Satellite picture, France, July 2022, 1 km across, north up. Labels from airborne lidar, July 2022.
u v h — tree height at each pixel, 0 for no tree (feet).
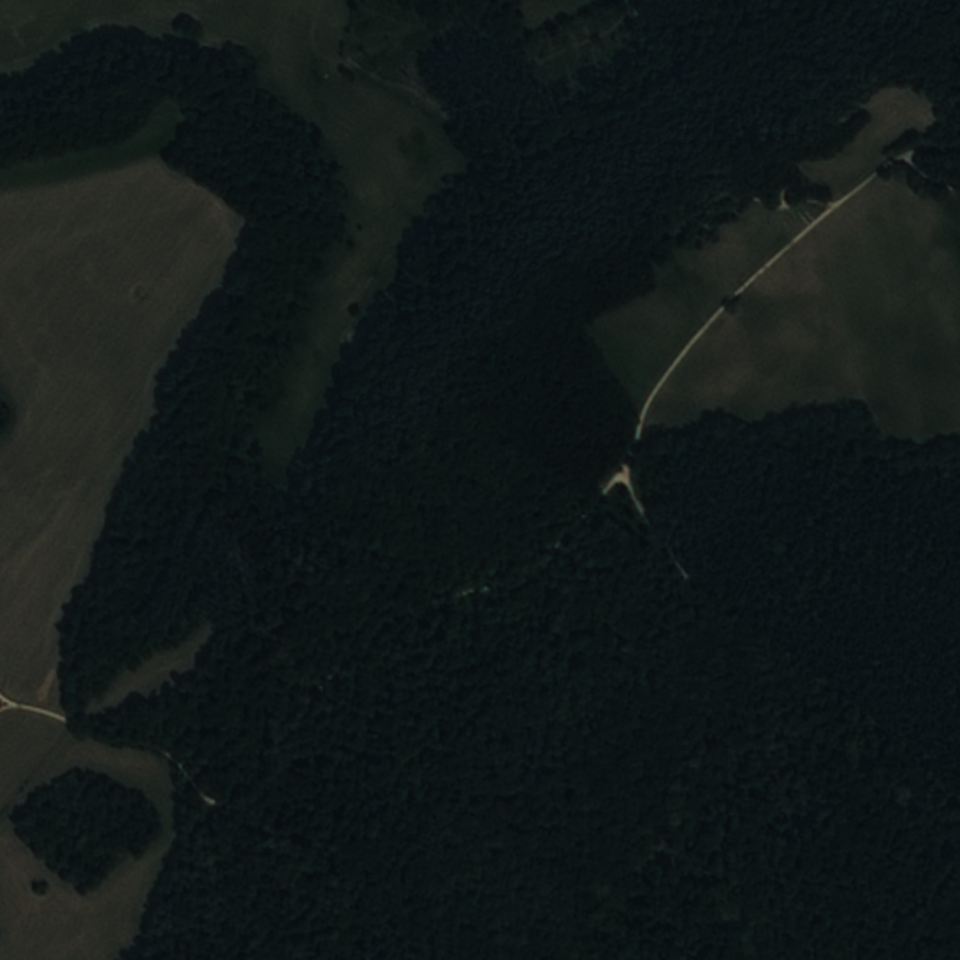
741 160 67
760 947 71
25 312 0
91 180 0
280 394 0
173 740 51
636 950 64
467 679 72
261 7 0
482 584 39
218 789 68
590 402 53
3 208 0
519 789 67
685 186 70
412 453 50
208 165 66
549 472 48
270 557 75
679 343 0
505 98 90
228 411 115
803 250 0
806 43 80
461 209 95
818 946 61
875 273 0
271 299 88
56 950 0
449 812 64
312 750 34
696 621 62
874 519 64
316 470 87
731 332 0
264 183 94
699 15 72
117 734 62
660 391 0
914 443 34
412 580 55
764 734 81
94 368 0
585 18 71
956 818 82
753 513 55
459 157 0
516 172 95
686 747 70
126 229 0
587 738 79
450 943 73
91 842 72
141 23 0
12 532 0
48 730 0
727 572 32
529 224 78
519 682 64
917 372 0
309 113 0
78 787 57
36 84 74
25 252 0
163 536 97
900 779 82
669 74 95
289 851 74
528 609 63
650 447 64
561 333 47
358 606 62
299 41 0
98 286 0
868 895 42
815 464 62
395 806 54
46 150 63
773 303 0
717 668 66
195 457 82
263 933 61
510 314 52
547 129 80
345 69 57
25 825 49
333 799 62
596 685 70
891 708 53
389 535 68
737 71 65
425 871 67
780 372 0
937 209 0
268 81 0
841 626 51
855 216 0
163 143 0
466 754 71
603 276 46
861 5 68
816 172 0
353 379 95
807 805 55
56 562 0
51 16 0
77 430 0
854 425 77
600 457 50
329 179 78
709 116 70
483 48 95
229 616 78
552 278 57
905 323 0
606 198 66
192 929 74
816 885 62
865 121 30
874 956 85
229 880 73
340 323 0
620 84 62
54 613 0
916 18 49
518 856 63
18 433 0
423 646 37
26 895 0
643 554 50
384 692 29
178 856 47
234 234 0
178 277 0
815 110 65
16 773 0
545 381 53
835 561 49
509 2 66
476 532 61
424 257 87
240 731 66
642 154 61
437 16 111
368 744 38
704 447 72
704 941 54
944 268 0
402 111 0
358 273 0
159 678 0
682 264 0
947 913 66
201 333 70
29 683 0
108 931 0
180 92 64
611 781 78
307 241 39
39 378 0
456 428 45
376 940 65
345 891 80
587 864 73
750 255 0
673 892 71
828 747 76
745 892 66
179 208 0
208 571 79
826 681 49
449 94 52
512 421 44
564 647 60
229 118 82
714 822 90
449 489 51
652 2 73
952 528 53
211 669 69
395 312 79
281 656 79
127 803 38
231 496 89
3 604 0
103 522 0
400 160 0
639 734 76
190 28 43
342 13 0
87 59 90
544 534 70
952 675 64
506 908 73
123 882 0
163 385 52
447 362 44
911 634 63
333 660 77
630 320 0
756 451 81
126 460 0
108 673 32
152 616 102
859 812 72
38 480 0
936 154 52
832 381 0
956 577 62
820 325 0
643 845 85
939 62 70
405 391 77
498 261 73
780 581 54
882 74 44
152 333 0
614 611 68
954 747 71
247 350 111
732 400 0
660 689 81
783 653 59
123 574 71
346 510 52
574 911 66
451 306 86
